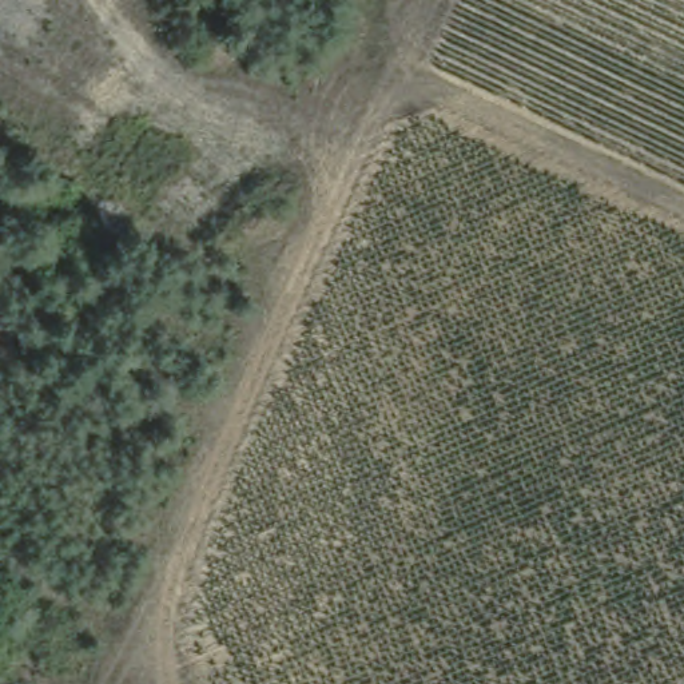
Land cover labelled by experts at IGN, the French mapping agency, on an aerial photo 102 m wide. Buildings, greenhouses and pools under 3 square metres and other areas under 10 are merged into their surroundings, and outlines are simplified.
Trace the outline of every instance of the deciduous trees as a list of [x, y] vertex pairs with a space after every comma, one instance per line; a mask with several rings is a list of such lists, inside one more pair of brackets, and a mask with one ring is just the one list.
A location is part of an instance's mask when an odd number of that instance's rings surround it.
[[8, 566], [0, 564], [0, 639], [11, 633], [11, 628], [24, 612], [37, 612], [37, 601], [43, 596], [35, 585], [24, 590], [21, 580], [11, 577]]

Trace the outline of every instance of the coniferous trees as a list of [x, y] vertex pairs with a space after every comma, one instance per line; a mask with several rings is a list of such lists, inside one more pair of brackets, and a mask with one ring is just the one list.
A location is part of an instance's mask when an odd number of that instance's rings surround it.
[[345, 0], [144, 0], [147, 24], [152, 29], [147, 40], [152, 45], [166, 48], [182, 69], [208, 59], [214, 48], [222, 43], [224, 51], [238, 59], [240, 69], [251, 72], [259, 80], [265, 80], [265, 75], [275, 69], [278, 61], [297, 59], [299, 64], [313, 64], [313, 59], [321, 59], [326, 43], [337, 37], [334, 8]]
[[51, 171], [35, 158], [35, 150], [29, 144], [21, 144], [19, 139], [8, 136], [5, 123], [0, 120], [0, 564], [8, 566], [11, 577], [21, 580], [24, 590], [35, 585], [43, 596], [37, 601], [37, 612], [24, 612], [11, 628], [11, 633], [0, 639], [0, 684], [11, 684], [16, 668], [27, 660], [32, 660], [29, 671], [37, 676], [61, 676], [67, 673], [67, 657], [72, 652], [96, 644], [91, 633], [80, 628], [80, 612], [72, 604], [72, 596], [110, 601], [110, 607], [120, 607], [126, 601], [139, 561], [147, 558], [147, 548], [120, 540], [120, 534], [134, 524], [144, 524], [150, 508], [160, 505], [166, 510], [176, 500], [176, 492], [187, 481], [190, 457], [200, 446], [198, 436], [182, 436], [179, 430], [174, 430], [160, 390], [166, 385], [176, 385], [182, 398], [192, 401], [206, 398], [216, 387], [216, 363], [227, 358], [230, 329], [240, 310], [248, 307], [248, 299], [243, 297], [243, 289], [235, 281], [222, 281], [224, 265], [206, 267], [203, 246], [198, 240], [187, 240], [179, 246], [174, 238], [166, 235], [142, 235], [136, 232], [128, 216], [102, 211], [91, 198], [77, 198], [72, 206], [64, 208], [5, 203], [11, 190], [48, 182]]

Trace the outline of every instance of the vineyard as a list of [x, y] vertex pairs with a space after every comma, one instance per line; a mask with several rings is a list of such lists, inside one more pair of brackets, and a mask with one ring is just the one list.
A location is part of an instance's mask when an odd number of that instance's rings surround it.
[[454, 5], [449, 35], [433, 56], [433, 67], [460, 80], [468, 80], [494, 96], [502, 96], [516, 107], [526, 107], [529, 112], [548, 118], [550, 123], [574, 131], [588, 142], [617, 150], [620, 155], [639, 160], [647, 168], [684, 184], [684, 0], [460, 0], [460, 5]]
[[342, 240], [342, 248], [334, 257], [334, 275], [323, 281], [323, 297], [310, 302], [310, 310], [302, 318], [302, 334], [294, 342], [291, 363], [286, 366], [286, 385], [273, 390], [273, 414], [267, 419], [259, 419], [259, 425], [254, 428], [254, 441], [246, 449], [240, 470], [235, 473], [232, 494], [222, 508], [222, 524], [211, 537], [211, 542], [219, 548], [219, 556], [206, 556], [208, 574], [200, 582], [200, 588], [206, 593], [206, 617], [211, 636], [216, 639], [216, 644], [227, 649], [230, 657], [224, 663], [216, 663], [211, 657], [208, 673], [195, 673], [192, 665], [179, 668], [179, 684], [684, 684], [684, 235], [665, 227], [657, 219], [639, 216], [601, 198], [585, 195], [574, 182], [561, 179], [550, 171], [540, 171], [518, 158], [500, 152], [497, 147], [489, 147], [486, 142], [470, 139], [449, 128], [449, 123], [436, 115], [430, 115], [433, 128], [425, 128], [419, 123], [417, 104], [401, 107], [401, 115], [409, 120], [409, 126], [393, 131], [393, 147], [385, 150], [379, 171], [369, 182], [363, 208], [353, 211], [347, 222], [350, 238]]

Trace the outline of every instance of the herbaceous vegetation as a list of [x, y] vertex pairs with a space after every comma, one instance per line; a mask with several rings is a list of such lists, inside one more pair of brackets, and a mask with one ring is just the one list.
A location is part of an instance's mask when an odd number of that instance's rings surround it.
[[120, 534], [120, 540], [147, 548], [147, 558], [139, 561], [126, 601], [120, 607], [110, 607], [110, 601], [72, 596], [72, 604], [80, 612], [80, 628], [91, 633], [96, 644], [72, 652], [67, 657], [67, 673], [61, 676], [37, 676], [29, 671], [32, 660], [27, 660], [16, 668], [11, 684], [179, 684], [179, 668], [192, 665], [195, 673], [208, 673], [211, 657], [216, 663], [224, 663], [230, 657], [227, 649], [216, 644], [216, 639], [211, 636], [206, 617], [206, 593], [200, 588], [200, 582], [208, 574], [206, 556], [219, 556], [219, 548], [211, 542], [211, 537], [222, 524], [222, 508], [232, 494], [235, 473], [240, 470], [246, 449], [254, 441], [254, 428], [259, 425], [259, 419], [267, 419], [273, 414], [273, 390], [286, 385], [286, 366], [291, 363], [294, 342], [302, 334], [302, 318], [310, 310], [310, 302], [323, 297], [323, 281], [334, 275], [334, 257], [342, 248], [342, 240], [350, 238], [347, 222], [353, 211], [363, 208], [369, 182], [379, 171], [385, 150], [393, 147], [393, 131], [409, 126], [409, 120], [401, 115], [401, 107], [417, 104], [419, 123], [425, 128], [433, 128], [430, 115], [436, 115], [449, 123], [449, 128], [470, 139], [486, 142], [489, 147], [497, 147], [500, 152], [518, 158], [540, 171], [550, 171], [561, 179], [574, 182], [585, 195], [601, 198], [639, 216], [657, 219], [665, 227], [684, 235], [684, 184], [647, 168], [639, 160], [620, 155], [617, 150], [588, 142], [574, 131], [550, 123], [548, 118], [529, 112], [526, 107], [516, 107], [502, 96], [494, 96], [468, 80], [460, 80], [433, 67], [433, 56], [449, 35], [454, 5], [460, 5], [460, 0], [345, 0], [334, 8], [337, 37], [326, 43], [321, 59], [313, 59], [313, 64], [299, 64], [297, 59], [278, 61], [275, 69], [265, 75], [265, 80], [259, 80], [251, 72], [240, 69], [238, 59], [224, 51], [222, 43], [214, 48], [208, 59], [182, 69], [166, 48], [152, 45], [147, 40], [152, 29], [147, 24], [144, 0], [0, 0], [0, 120], [5, 123], [8, 136], [19, 139], [21, 144], [29, 144], [35, 150], [35, 158], [51, 171], [48, 182], [11, 190], [5, 203], [64, 208], [72, 206], [77, 198], [91, 198], [102, 211], [128, 216], [136, 232], [142, 235], [166, 235], [174, 238], [179, 246], [187, 240], [198, 240], [203, 246], [206, 267], [224, 265], [222, 281], [235, 281], [243, 289], [243, 297], [248, 299], [248, 307], [240, 310], [230, 329], [227, 358], [216, 363], [216, 387], [206, 398], [192, 401], [182, 398], [176, 385], [166, 385], [160, 390], [174, 430], [179, 430], [182, 436], [198, 436], [200, 446], [190, 457], [187, 481], [176, 492], [176, 500], [166, 510], [160, 505], [150, 508], [144, 524], [134, 524]]

